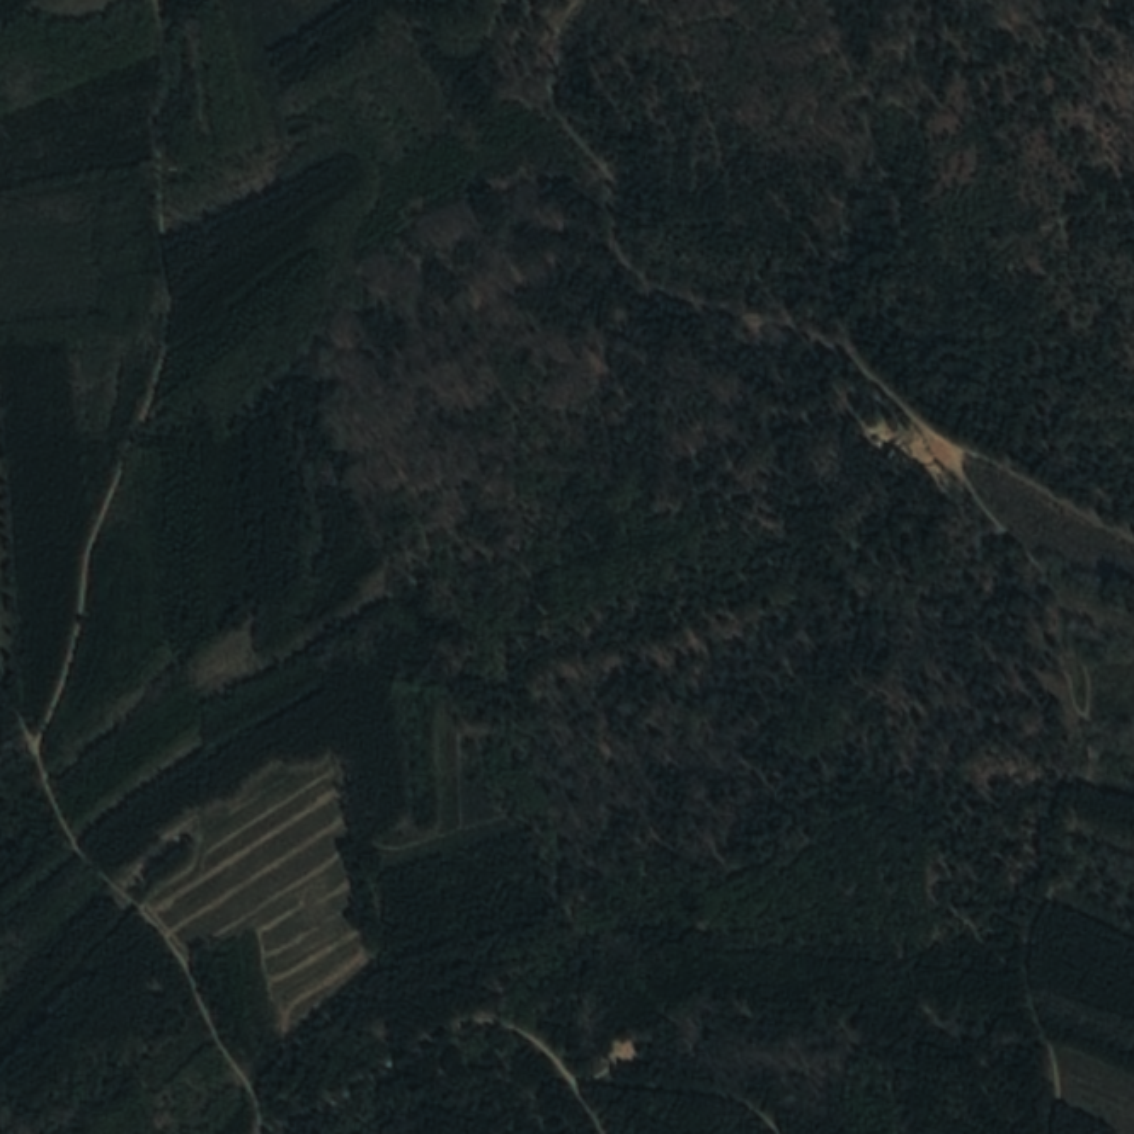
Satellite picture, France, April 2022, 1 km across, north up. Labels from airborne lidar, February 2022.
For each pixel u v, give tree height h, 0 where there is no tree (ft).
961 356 65
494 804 48
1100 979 61
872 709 34
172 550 25
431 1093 37
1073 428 31
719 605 67
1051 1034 62
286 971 0
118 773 33
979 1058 33
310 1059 59
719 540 44
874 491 70
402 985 41
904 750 73
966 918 91
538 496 26
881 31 57
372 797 57
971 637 65
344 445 83
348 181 58
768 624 41
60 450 28
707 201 30
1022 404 60
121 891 0
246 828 0
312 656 49
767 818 80
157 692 34
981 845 71
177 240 59
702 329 85
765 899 31
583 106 57
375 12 51
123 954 47
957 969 42
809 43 36
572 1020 42
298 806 0
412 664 51
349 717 72
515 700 75
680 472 37
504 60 56
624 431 34
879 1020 70
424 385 96
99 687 21
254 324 21
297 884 0
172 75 52
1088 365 44
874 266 89
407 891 35
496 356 35
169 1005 49
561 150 22
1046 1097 59
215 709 47
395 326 68
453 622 34
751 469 54
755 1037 69
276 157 43
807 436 87
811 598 71
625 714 65
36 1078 66
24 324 31
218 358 34
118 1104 44
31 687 28
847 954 43
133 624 21
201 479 28
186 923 0
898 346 62
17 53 54
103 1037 52
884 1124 57
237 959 27
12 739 39
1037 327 30
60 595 31
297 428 26
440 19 37
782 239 40
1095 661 56
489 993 41
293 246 47
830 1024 50
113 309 31
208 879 0
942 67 20
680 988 56
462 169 31
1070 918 63
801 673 40
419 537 25
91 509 24
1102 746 83
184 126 44
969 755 65
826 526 79
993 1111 48
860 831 34
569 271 67
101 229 22
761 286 23
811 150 41
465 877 35
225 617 29
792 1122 69
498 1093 32
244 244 58
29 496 29
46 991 50
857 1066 57
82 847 36
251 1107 41
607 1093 55
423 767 52
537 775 44
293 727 73
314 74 52
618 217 56
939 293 27
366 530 38
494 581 42
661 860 36
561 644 59
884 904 31
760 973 48
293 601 57
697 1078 75
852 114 54
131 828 47
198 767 48
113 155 18
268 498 55
